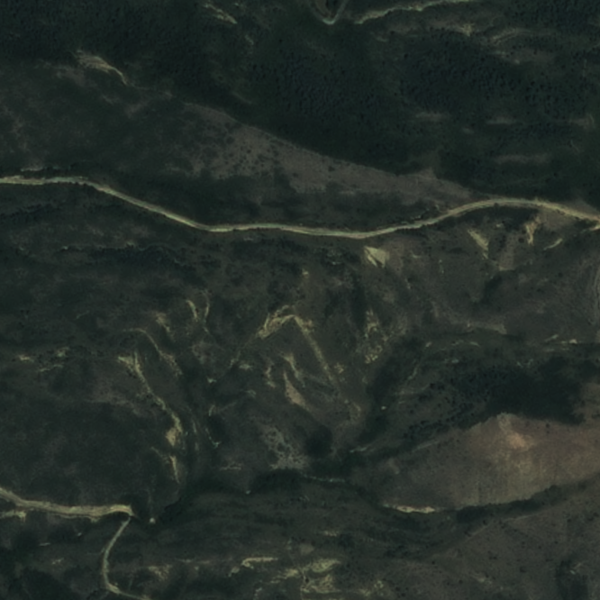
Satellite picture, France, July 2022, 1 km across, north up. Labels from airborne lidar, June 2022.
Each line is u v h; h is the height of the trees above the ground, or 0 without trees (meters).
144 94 0
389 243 0
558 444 0
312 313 0
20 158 0
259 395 0
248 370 0
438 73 10
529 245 0
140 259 7
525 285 0
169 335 0
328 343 0
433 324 0
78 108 0
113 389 0
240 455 0
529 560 0
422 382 0
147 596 0
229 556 0
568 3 9
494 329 0
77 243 0
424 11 0
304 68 14
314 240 0
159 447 0
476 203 0
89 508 0
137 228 0
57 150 0
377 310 0
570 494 0
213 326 0
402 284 0
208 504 0
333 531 0
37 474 0
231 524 0
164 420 0
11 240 0
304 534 0
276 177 0
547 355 0
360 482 0
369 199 0
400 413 0
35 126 0
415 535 0
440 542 0
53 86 0
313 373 0
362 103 8
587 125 0
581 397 0
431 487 0
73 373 0
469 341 0
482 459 0
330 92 9
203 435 0
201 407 0
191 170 0
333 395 0
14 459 0
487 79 9
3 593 0
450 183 0
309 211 0
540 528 0
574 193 0
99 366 0
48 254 0
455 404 8
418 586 0
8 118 0
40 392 0
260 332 0
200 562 0
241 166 0
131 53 8
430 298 0
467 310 0
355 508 0
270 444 0
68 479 0
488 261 0
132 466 0
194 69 8
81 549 0
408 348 0
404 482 0
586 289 0
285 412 0
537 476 0
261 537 0
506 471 0
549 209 0
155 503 0
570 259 0
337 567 0
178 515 8
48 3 8
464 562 0
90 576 0
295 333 0
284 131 8
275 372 0
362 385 0
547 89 11
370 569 0
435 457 0
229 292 0
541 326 0
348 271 0
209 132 0
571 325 0
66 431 0
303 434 0
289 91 7
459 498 0
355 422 0
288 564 0
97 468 0
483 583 0
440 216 0
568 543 0
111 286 0
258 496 0
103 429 0
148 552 0
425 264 0
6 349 0
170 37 8
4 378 0
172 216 0
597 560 0
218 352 0
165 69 7
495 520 0
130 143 0
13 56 6
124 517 11
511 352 0
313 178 0
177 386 0
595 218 0
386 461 0
